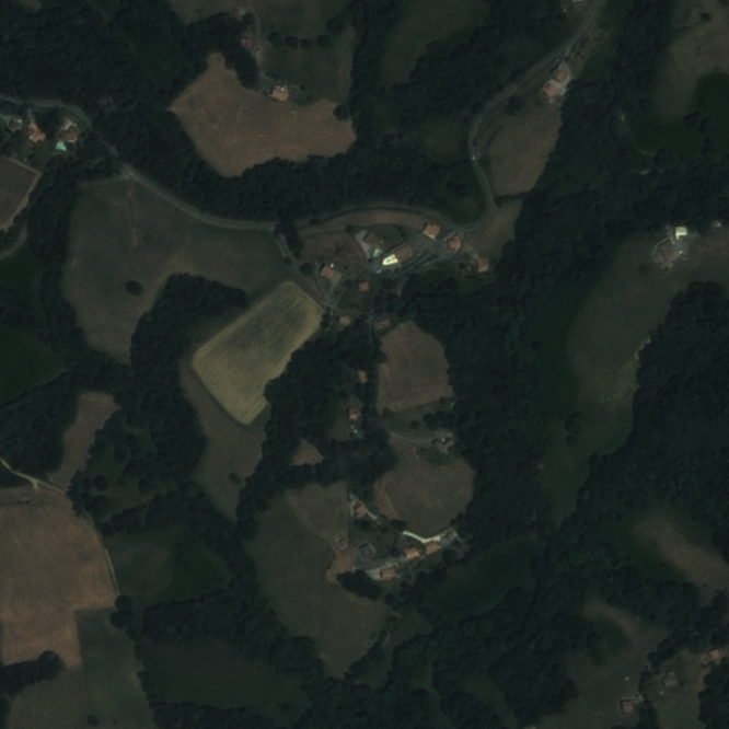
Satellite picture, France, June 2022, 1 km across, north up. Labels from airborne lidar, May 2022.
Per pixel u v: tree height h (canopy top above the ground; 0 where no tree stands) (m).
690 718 0
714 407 18
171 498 19
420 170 21
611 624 0
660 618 18
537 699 25
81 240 0
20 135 8
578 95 19
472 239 0
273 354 0
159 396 22
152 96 23
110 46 26
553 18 13
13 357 0
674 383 20
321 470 21
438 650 25
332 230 0
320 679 23
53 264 20
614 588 22
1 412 11
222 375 0
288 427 26
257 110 0
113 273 0
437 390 0
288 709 13
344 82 0
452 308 11
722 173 14
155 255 0
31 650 0
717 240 0
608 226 17
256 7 0
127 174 0
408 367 0
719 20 0
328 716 29
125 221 0
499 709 0
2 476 9
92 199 0
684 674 0
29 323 17
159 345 21
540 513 10
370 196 13
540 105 0
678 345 27
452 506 0
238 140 0
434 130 0
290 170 22
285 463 25
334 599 0
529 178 0
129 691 0
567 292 0
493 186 0
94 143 19
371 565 0
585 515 20
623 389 0
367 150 27
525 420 29
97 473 0
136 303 0
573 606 10
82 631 0
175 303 16
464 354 26
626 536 0
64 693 0
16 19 26
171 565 0
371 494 8
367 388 9
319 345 15
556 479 0
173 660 0
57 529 0
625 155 16
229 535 24
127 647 0
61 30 20
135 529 19
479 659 25
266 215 10
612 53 0
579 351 0
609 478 21
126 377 21
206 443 7
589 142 6
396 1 21
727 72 0
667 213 20
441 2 0
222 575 0
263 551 0
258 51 0
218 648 0
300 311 0
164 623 24
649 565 0
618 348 0
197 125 0
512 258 17
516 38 29
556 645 20
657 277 0
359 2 16
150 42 7
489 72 22
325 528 0
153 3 15
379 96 19
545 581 24
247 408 0
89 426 0
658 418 23
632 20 12
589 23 0
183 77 12
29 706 0
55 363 0
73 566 0
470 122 14
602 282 0
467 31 0
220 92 0
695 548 0
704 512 19
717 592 6
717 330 23
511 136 0
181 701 0
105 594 0
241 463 0
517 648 18
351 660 0
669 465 17
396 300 28
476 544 17
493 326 10
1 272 0
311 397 32
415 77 14
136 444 16
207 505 14
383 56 12
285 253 0
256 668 0
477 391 18
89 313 0
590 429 0
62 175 21
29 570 0
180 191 7
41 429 28
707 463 16
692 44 0
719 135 0
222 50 15
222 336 0
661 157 16
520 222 12
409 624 0
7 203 0
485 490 15
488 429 26
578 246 22
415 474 0
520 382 26
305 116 0
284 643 26
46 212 19
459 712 24
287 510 0
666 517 0
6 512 0
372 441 18
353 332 18
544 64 0
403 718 22
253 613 23
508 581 0
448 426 13
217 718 29
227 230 0
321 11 0
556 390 0
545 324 0
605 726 0
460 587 0
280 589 0
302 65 0
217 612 20
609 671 0
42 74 11
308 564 0
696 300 28
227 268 0
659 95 0
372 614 0
